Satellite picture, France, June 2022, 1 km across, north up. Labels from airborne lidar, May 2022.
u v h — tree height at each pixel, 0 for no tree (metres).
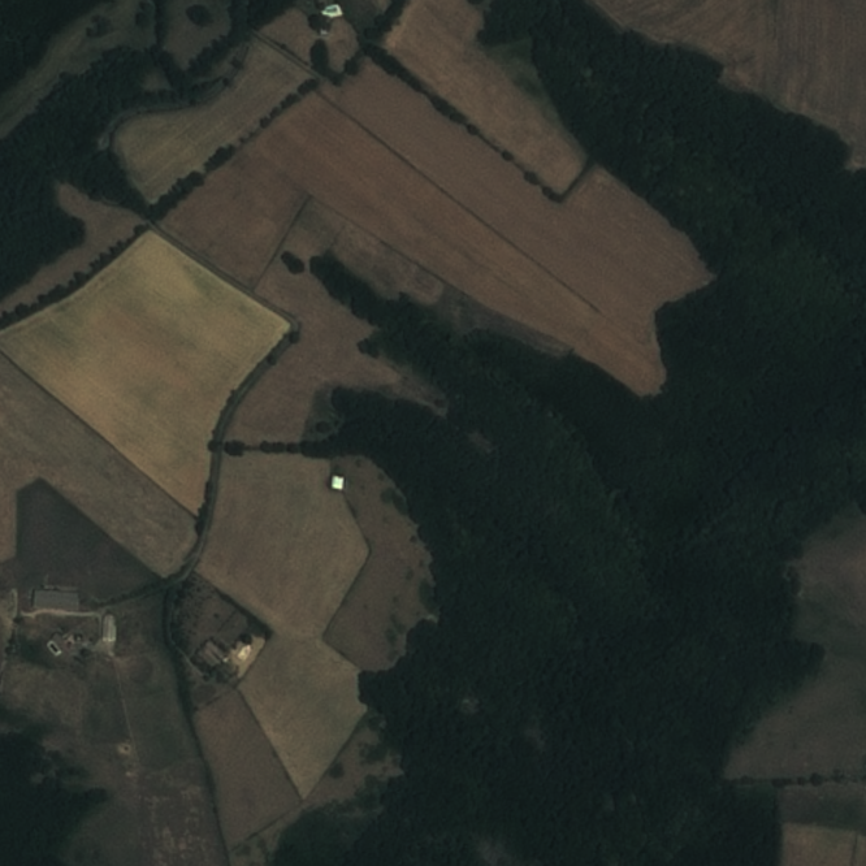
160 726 0
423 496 19
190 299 0
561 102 13
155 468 0
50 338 0
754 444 25
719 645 10
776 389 21
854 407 23
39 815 16
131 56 17
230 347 0
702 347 17
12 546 0
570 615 24
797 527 13
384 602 0
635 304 0
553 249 0
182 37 0
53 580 0
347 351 0
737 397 25
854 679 0
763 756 0
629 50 18
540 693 23
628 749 11
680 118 26
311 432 0
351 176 0
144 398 0
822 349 18
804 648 13
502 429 16
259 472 0
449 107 11
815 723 0
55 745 0
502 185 0
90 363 0
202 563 0
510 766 28
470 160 0
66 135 16
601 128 20
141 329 0
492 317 0
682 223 18
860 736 0
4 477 0
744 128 11
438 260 0
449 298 0
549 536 17
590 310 0
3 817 9
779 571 9
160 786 0
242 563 0
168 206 14
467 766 23
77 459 0
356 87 0
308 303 0
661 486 15
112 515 0
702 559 12
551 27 27
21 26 17
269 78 0
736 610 12
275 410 0
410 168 0
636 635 27
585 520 13
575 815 15
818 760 0
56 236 20
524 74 0
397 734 10
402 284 0
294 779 0
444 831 15
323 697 0
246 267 0
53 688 0
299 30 0
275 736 0
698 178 15
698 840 11
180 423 0
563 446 15
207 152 0
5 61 18
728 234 12
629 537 18
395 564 0
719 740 9
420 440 17
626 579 15
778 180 18
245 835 0
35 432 0
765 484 23
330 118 0
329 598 0
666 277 0
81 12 17
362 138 0
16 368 0
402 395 0
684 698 10
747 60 0
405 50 0
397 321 20
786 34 0
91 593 0
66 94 14
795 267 16
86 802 10
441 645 15
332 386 0
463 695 11
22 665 0
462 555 13
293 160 0
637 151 24
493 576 18
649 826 10
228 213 0
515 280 0
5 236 18
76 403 0
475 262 0
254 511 0
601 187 0
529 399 14
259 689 0
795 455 22
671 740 14
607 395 6
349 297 16
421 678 14
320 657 0
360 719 0
